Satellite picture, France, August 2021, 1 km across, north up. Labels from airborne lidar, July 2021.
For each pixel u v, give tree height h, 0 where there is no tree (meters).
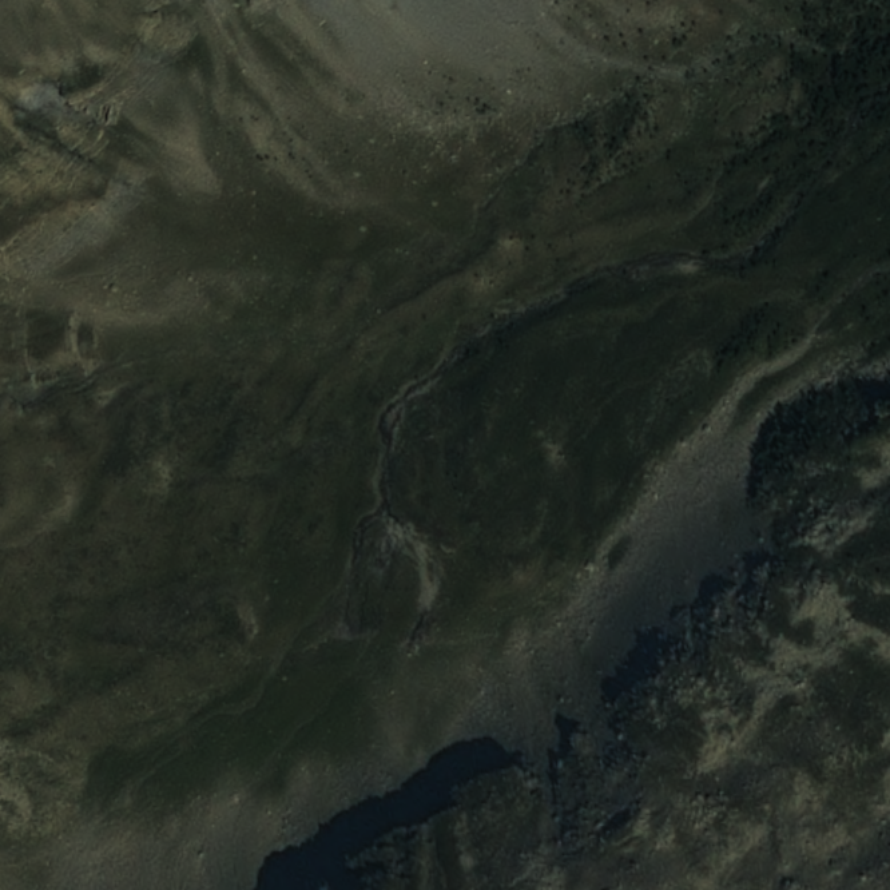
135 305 0
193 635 0
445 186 0
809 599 0
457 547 0
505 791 0
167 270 0
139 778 0
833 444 0
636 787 0
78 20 0
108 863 0
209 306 0
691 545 0
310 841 0
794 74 8
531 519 0
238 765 0
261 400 0
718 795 0
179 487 0
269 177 0
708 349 0
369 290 0
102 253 0
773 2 0
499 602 0
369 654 0
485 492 0
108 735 0
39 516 0
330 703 0
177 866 0
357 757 0
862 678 0
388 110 0
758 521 0
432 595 0
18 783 0
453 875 0
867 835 0
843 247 0
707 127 0
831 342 0
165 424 0
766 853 0
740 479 0
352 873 0
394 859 0
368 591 0
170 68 0
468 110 0
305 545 0
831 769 0
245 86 0
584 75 0
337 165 0
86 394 0
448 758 0
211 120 0
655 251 0
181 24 0
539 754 0
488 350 0
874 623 0
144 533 0
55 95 0
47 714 0
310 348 0
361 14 0
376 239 0
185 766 0
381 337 0
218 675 0
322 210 0
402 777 0
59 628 0
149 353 0
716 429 0
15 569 0
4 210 0
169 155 0
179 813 0
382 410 0
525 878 0
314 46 0
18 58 0
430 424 0
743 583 0
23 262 0
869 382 0
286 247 0
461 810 0
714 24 0
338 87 0
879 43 7
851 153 0
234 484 0
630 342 0
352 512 0
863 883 0
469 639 0
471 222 0
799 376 0
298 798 0
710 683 0
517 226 0
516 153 0
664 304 0
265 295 0
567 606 0
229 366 0
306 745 0
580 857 0
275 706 0
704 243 0
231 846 0
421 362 0
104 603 0
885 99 7
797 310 0
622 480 0
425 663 0
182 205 0
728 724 0
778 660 0
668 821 0
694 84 0
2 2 0
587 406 0
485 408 0
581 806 0
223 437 0
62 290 0
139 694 0
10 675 0
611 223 0
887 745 0
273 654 0
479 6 0
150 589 0
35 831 0
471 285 0
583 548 0
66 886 0
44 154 0
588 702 0
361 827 0
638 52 0
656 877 0
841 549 0
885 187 0
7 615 0
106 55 0
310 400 0
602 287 0
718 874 0
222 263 0
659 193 0
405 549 0
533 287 0
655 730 0
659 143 0
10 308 0
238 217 0
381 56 0
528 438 0
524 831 0
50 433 0
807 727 0
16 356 0
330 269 0
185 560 0
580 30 0
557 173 0
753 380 0
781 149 0
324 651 0
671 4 0
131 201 0
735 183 0
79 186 0
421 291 0
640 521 0
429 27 0
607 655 0
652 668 0
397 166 0
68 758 0
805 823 0
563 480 0
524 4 0
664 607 0
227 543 0
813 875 0
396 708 0
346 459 0
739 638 0
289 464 0
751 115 0
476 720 0
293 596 0
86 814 0
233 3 0
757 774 0
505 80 0
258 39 0
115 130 0
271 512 0
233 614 0
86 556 0
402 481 0
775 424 7
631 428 0
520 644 0
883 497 0
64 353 0
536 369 0
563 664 0
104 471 0
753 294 0
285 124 0
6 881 0
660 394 0
